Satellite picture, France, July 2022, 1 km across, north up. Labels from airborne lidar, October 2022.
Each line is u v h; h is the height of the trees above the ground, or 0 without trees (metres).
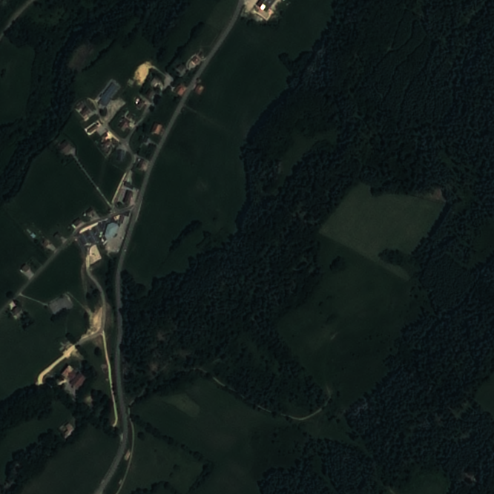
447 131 33
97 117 0
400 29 14
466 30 9
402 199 0
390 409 28
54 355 0
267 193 14
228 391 11
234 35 0
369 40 12
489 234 0
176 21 29
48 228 0
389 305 0
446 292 17
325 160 29
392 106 20
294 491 25
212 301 17
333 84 32
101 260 0
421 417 11
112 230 0
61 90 21
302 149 0
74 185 0
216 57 0
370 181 26
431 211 0
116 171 0
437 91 19
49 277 0
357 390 0
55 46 7
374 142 19
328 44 27
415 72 18
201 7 0
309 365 0
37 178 0
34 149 15
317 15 0
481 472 26
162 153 0
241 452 0
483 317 34
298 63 14
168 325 7
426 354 19
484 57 28
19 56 0
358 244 0
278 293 16
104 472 0
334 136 0
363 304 0
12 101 0
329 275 0
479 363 26
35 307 0
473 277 19
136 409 0
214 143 0
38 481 0
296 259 22
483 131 6
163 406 0
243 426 0
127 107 0
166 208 0
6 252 0
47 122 13
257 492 0
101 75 0
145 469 0
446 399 20
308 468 22
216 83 0
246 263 16
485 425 26
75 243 0
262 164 21
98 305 0
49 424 0
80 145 0
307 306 0
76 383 0
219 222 0
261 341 11
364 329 0
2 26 7
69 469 0
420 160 23
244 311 15
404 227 0
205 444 0
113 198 0
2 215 0
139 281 0
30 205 0
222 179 0
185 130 0
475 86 28
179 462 0
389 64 15
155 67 0
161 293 12
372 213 0
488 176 7
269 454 0
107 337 0
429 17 30
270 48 0
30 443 0
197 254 0
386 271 0
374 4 21
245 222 32
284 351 23
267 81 0
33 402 27
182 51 16
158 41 23
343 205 0
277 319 6
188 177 0
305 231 27
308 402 9
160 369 8
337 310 0
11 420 14
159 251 0
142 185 0
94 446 0
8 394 0
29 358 0
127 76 0
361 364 0
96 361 0
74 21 10
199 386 0
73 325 0
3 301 0
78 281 0
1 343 0
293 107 29
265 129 30
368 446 8
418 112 23
